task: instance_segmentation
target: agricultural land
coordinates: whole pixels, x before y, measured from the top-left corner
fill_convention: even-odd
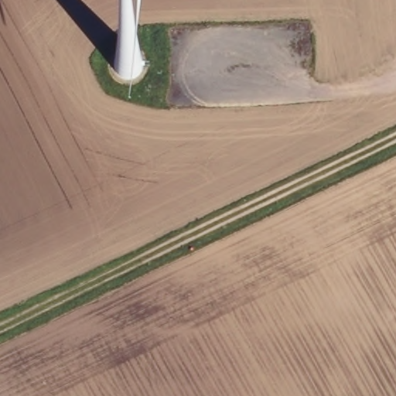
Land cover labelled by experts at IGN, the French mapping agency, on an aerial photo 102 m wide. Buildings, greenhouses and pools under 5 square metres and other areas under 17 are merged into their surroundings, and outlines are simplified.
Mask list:
[[[158,110],[142,107],[108,96],[91,70],[91,51],[114,31],[121,36],[119,79],[122,82],[138,80],[144,74],[145,60],[139,48],[138,25],[204,20],[308,19],[311,20],[312,32],[316,36],[316,74],[312,74],[311,77],[317,84],[353,84],[364,77],[381,77],[390,73],[393,71],[393,59],[396,56],[396,0],[0,0],[0,311],[23,302],[45,289],[67,282],[76,275],[84,274],[119,255],[127,254],[148,241],[167,234],[169,230],[184,226],[224,204],[232,203],[247,193],[268,186],[396,124],[396,91],[291,104],[206,107],[206,110],[170,108]]]

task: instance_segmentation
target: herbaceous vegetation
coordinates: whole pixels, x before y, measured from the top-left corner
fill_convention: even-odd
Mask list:
[[[170,88],[172,43],[198,29],[217,26],[278,26],[291,29],[294,32],[292,51],[311,57],[309,60],[302,60],[300,67],[308,71],[311,77],[312,74],[316,74],[316,36],[312,32],[311,20],[308,19],[204,20],[138,25],[139,48],[145,60],[144,74],[138,80],[122,82],[119,79],[121,36],[114,31],[91,51],[91,70],[108,96],[142,107],[158,110],[170,108],[167,94]]]
[[[0,320],[8,319],[57,292],[73,288],[77,283],[108,271],[135,255],[152,249],[162,241],[186,232],[210,218],[218,217],[227,210],[254,200],[269,190],[277,189],[292,179],[300,178],[328,162],[336,161],[357,148],[365,147],[396,131],[396,124],[268,186],[247,193],[232,203],[224,204],[184,226],[169,230],[167,234],[148,241],[127,254],[119,255],[84,274],[76,275],[67,282],[45,289],[23,302],[0,311]]]
[[[45,325],[56,317],[63,316],[65,312],[73,311],[97,299],[105,292],[121,288],[135,278],[169,265],[178,258],[193,254],[198,249],[272,217],[309,196],[337,186],[345,179],[373,169],[396,156],[396,144],[322,179],[319,183],[292,193],[283,200],[255,210],[246,217],[215,230],[212,234],[190,241],[169,254],[114,278],[111,282],[97,286],[36,319],[0,334],[0,343],[28,333],[37,326]]]

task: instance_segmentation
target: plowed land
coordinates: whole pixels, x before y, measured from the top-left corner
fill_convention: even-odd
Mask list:
[[[396,396],[396,156],[373,169],[345,179],[337,186],[309,196],[272,217],[198,249],[193,254],[178,258],[169,265],[135,278],[121,288],[105,292],[97,299],[73,311],[65,312],[63,316],[56,317],[45,325],[37,326],[28,333],[0,343],[0,396]]]

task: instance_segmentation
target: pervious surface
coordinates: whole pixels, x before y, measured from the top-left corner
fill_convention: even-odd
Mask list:
[[[227,210],[218,217],[210,218],[186,232],[162,241],[152,249],[135,255],[108,271],[77,283],[73,288],[57,292],[8,319],[0,320],[0,334],[36,319],[97,286],[111,282],[114,278],[169,254],[190,241],[212,234],[215,230],[246,217],[255,210],[283,200],[292,193],[319,183],[322,179],[396,144],[396,131],[365,147],[357,148],[336,161],[328,162],[300,178],[292,179],[277,189],[269,190],[254,200]]]
[[[364,77],[353,84],[317,84],[311,77],[308,71],[300,67],[302,60],[309,60],[311,57],[292,51],[294,32],[291,29],[278,26],[217,26],[198,29],[172,43],[170,88],[167,94],[170,108],[206,110],[206,107],[291,104],[396,91],[396,56],[393,59],[393,71],[390,73],[381,77]]]

